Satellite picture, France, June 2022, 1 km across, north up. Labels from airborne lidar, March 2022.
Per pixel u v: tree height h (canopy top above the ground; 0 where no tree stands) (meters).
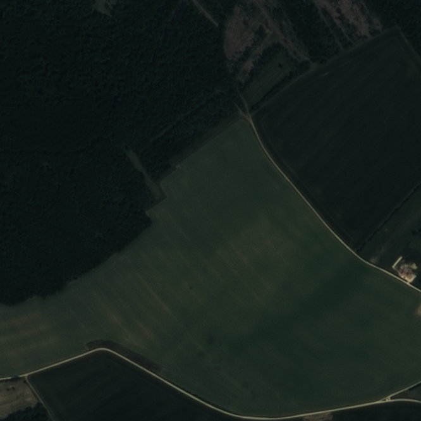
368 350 0
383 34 0
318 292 0
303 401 0
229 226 0
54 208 17
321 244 0
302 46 0
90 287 0
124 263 0
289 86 0
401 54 0
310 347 0
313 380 0
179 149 13
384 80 0
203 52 22
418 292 0
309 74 0
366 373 0
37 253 17
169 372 0
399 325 0
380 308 0
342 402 0
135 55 24
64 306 0
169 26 18
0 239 23
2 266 17
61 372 0
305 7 20
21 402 0
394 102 0
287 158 0
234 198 0
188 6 23
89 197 16
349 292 0
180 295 0
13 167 25
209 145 0
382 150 0
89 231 14
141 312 0
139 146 17
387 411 0
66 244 17
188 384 0
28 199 21
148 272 0
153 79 20
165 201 0
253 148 0
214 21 0
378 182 0
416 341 0
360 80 0
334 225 0
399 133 0
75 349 0
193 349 0
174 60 21
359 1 20
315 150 0
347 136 0
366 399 0
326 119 0
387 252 0
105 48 21
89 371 0
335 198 0
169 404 0
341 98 0
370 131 0
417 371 0
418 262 0
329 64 0
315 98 0
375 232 7
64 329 0
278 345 0
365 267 0
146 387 0
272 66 0
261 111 0
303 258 0
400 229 0
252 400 0
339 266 0
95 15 21
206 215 0
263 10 0
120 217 13
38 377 0
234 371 0
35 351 0
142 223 13
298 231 0
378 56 0
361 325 0
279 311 0
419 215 0
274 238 0
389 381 0
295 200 0
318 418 0
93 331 0
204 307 0
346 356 0
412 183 0
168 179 0
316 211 0
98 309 0
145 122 23
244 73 0
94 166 18
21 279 17
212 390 0
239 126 0
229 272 0
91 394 0
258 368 0
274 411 0
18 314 0
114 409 0
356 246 0
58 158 21
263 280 0
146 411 0
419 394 0
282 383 0
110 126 22
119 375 0
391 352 0
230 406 0
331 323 0
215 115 17
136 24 22
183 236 0
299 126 0
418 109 0
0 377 0
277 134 0
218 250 0
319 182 0
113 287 0
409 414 0
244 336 0
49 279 16
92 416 0
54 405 0
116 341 0
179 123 16
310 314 0
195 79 18
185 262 0
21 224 21
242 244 0
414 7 21
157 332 0
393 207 0
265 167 0
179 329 0
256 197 0
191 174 0
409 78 0
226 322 0
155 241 0
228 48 0
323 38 20
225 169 0
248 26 18
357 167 0
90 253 15
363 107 0
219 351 0
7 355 0
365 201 0
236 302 0
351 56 0
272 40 0
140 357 0
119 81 21
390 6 12
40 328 0
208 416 0
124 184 18
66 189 19
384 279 0
